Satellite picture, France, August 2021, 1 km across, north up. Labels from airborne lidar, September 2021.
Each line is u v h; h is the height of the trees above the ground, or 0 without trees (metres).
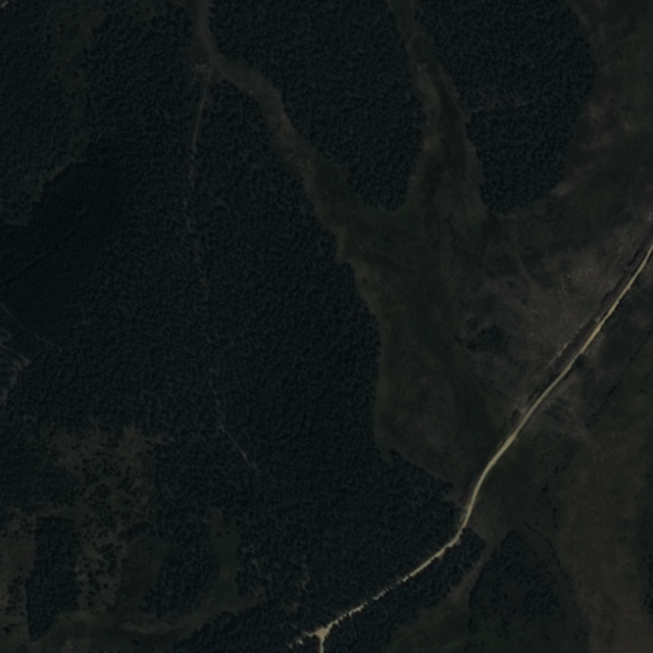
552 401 0
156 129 10
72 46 0
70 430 8
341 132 15
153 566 0
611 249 0
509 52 11
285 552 13
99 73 12
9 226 12
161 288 12
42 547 7
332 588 14
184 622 0
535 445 0
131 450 0
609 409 0
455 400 0
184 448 15
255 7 13
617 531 0
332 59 15
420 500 14
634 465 0
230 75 0
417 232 0
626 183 0
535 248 0
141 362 15
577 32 12
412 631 0
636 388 0
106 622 0
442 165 0
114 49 10
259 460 14
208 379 12
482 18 15
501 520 0
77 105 0
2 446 9
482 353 0
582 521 0
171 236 16
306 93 15
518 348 0
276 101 0
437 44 8
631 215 0
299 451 16
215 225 15
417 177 0
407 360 0
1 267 10
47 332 9
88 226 11
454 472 0
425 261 0
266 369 14
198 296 13
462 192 0
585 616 0
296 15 13
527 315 0
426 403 0
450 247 0
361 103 12
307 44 17
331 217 0
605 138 0
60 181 14
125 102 13
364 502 15
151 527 10
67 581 16
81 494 9
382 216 0
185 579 16
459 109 0
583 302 0
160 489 17
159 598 14
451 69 8
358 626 15
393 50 13
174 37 14
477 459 0
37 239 12
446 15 17
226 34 11
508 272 0
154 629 0
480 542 12
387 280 0
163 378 12
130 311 13
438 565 13
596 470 0
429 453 0
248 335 16
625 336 0
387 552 13
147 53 16
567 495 0
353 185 15
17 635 0
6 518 9
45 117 15
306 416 14
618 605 0
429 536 13
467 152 0
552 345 0
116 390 14
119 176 12
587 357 0
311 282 18
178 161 13
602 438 0
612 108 0
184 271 12
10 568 0
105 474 9
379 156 19
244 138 16
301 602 15
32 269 11
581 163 0
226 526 7
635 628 0
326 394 14
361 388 13
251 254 16
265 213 11
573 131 14
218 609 0
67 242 12
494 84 15
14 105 15
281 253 16
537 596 10
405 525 13
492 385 0
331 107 16
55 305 10
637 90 0
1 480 8
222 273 15
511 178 9
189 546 14
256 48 13
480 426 0
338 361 10
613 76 0
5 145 16
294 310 15
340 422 13
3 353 12
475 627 10
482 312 0
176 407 16
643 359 0
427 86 0
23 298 12
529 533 0
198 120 0
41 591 18
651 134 0
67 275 11
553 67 16
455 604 0
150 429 15
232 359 17
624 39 0
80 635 0
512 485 0
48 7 13
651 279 0
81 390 9
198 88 11
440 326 0
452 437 0
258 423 8
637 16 0
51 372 10
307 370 10
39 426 9
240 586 10
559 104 16
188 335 13
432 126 0
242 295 14
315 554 14
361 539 15
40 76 15
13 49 15
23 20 17
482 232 0
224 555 0
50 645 0
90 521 6
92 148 12
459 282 0
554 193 0
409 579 6
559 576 0
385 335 0
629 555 0
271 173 13
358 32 15
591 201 0
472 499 0
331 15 13
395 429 0
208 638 12
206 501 17
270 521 16
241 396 12
